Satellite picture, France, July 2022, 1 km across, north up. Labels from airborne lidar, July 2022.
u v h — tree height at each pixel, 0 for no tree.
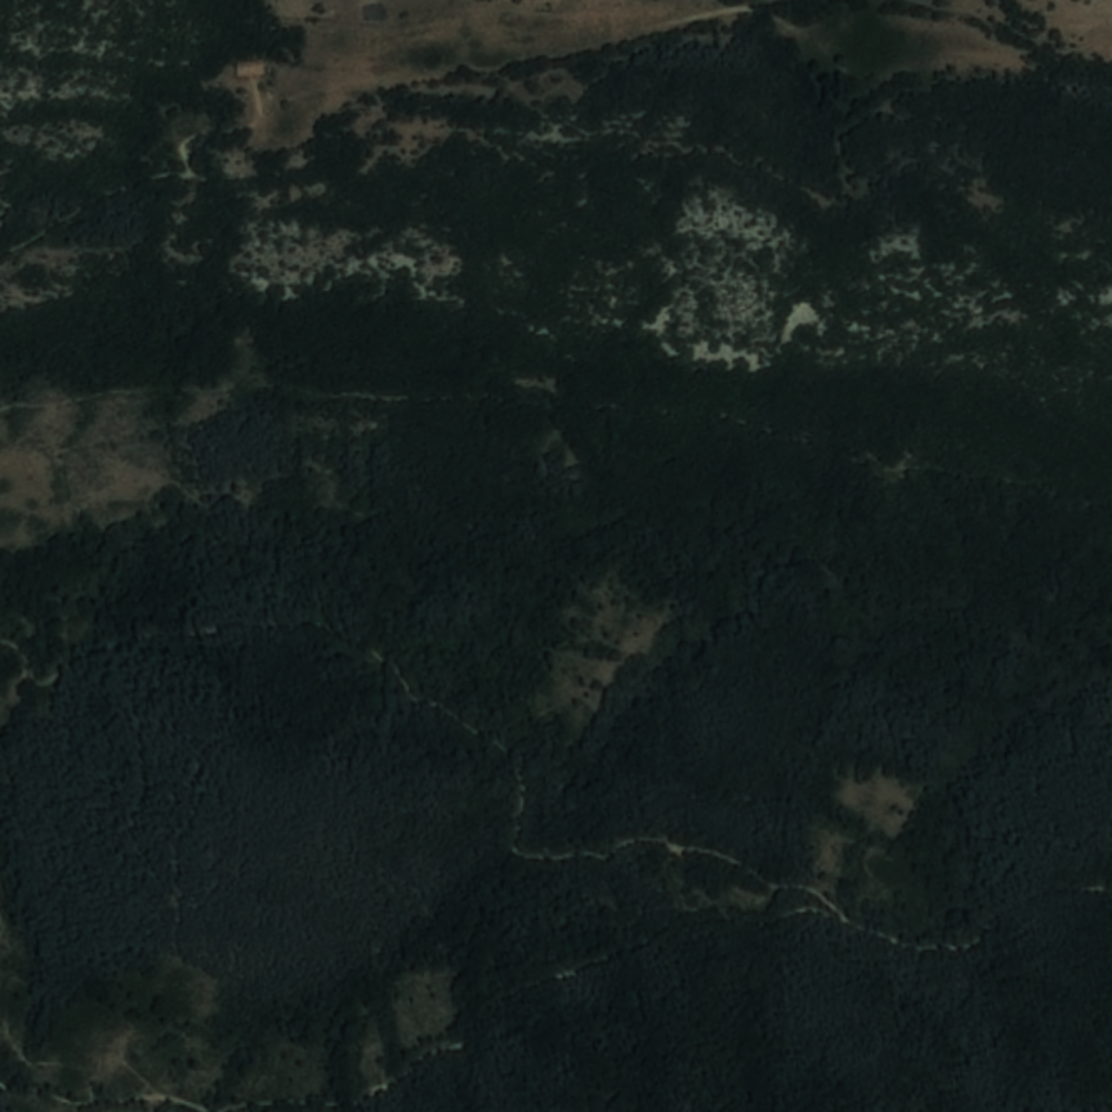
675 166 9
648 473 13
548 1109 12
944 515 11
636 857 7
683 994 14
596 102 7
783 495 14
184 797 14
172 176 7
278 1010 10
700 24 7
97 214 10
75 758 14
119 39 7
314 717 20
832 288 6
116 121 10
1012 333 7
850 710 14
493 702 13
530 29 0
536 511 8
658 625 0
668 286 7
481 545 17
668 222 7
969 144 7
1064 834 18
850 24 0
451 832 13
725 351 0
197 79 9
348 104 6
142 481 0
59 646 14
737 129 7
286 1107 10
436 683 10
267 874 13
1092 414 7
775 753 12
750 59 12
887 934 9
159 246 6
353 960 13
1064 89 11
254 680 17
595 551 15
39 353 11
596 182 8
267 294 10
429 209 8
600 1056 14
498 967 6
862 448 13
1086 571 11
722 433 13
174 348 7
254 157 7
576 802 17
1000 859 13
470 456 9
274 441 13
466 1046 10
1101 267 6
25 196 12
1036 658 14
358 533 12
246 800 13
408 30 0
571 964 13
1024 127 9
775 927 12
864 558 7
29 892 15
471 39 0
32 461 0
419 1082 16
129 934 14
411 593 11
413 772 17
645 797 13
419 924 18
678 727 15
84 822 12
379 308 15
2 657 9
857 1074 12
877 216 6
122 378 8
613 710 17
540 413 11
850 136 11
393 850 11
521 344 9
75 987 14
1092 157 9
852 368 6
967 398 10
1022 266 9
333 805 15
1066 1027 12
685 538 15
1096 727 20
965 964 13
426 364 12
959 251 6
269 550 15
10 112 5
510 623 16
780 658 8
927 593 7
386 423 6
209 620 17
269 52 7
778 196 8
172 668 17
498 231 8
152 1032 0
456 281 7
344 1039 9
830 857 0
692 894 10
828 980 11
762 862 12
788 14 15
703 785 12
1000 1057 14
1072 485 11
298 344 15
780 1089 16
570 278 6
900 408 13
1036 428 11
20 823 12
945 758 11
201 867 13
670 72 8
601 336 9
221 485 10
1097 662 14
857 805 0
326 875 14
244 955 9
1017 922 13
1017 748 14
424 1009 0
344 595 8
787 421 13
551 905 10
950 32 0
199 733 17
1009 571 12
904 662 11
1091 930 14
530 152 6
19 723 14
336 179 9
